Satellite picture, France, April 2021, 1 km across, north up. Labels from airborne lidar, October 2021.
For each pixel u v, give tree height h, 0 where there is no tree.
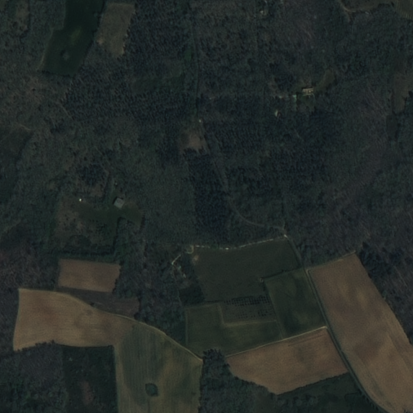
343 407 0
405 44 21
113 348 10
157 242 20
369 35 18
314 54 23
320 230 21
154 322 14
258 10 11
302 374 0
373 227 17
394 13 15
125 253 18
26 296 0
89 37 0
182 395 0
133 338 0
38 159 16
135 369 0
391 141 8
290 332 0
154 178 17
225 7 15
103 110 14
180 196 19
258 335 0
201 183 8
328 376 0
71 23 0
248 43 14
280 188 17
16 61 12
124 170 11
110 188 12
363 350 0
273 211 16
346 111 25
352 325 0
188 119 14
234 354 0
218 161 17
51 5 23
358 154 22
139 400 0
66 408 6
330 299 0
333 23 12
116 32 0
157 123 16
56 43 0
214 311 0
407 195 15
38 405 6
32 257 20
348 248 15
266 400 0
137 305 0
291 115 20
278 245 0
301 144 20
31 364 16
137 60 17
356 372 0
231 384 18
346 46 17
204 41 14
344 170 22
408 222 13
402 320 11
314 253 22
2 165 7
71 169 7
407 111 6
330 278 0
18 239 7
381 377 0
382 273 26
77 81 13
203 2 11
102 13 8
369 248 11
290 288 0
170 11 16
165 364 0
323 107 22
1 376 23
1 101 6
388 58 14
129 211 0
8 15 6
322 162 15
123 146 16
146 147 20
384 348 0
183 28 16
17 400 22
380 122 22
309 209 24
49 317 0
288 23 21
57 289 0
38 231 15
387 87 15
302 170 15
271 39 9
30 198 17
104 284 0
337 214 23
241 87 20
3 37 13
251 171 18
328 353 0
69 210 0
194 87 21
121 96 15
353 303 0
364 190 13
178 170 17
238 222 14
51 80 7
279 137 13
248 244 10
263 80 17
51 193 9
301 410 5
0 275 7
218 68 18
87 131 12
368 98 21
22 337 0
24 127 10
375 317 0
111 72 12
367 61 21
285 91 18
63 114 10
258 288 0
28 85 9
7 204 13
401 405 0
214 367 21
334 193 16
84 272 0
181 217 15
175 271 7
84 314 0
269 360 0
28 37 14
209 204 20
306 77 19
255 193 22
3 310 14
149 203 17
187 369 0
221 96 18
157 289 12
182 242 17
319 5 15
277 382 0
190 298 7
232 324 0
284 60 14
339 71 17
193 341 0
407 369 0
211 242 18
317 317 0
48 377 15
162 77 23
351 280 0
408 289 12
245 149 16
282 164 19
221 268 0
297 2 18
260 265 0
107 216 0
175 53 16
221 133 13
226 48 12
